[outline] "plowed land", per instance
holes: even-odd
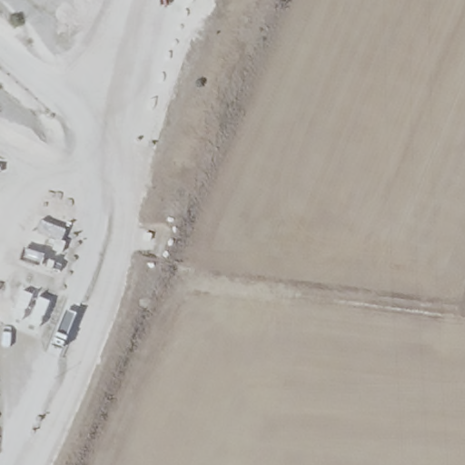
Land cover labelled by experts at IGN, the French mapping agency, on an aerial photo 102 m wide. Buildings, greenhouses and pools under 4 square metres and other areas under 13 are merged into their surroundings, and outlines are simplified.
[[[89,465],[465,465],[465,0],[292,0],[287,7],[291,24],[280,33],[280,49],[269,60],[269,71],[260,85],[256,104],[243,118],[243,124],[240,125],[240,131],[236,136],[236,145],[229,153],[231,160],[220,167],[218,182],[211,194],[211,205],[196,218],[194,234],[187,240],[187,247],[183,251],[183,263],[174,274],[174,287],[169,289],[169,298],[163,300],[160,311],[154,314],[151,331],[145,332],[145,338],[138,340],[133,360],[125,372],[122,391],[118,392],[116,405],[109,414],[107,429],[102,430],[94,441],[94,454],[89,454]]]

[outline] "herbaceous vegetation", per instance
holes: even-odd
[[[191,47],[183,58],[180,74],[174,85],[173,98],[167,105],[162,131],[158,138],[151,140],[154,145],[154,160],[151,165],[153,178],[140,207],[140,222],[156,222],[163,223],[165,227],[176,227],[173,245],[167,251],[167,258],[156,256],[151,251],[133,252],[124,296],[120,302],[113,331],[109,334],[109,340],[102,352],[102,363],[94,371],[80,411],[74,416],[67,440],[54,465],[89,465],[89,454],[94,454],[94,441],[102,430],[107,429],[109,414],[116,405],[118,392],[122,391],[125,372],[133,360],[138,340],[145,338],[145,332],[151,331],[154,314],[160,311],[163,300],[169,298],[169,289],[174,287],[174,274],[183,263],[183,251],[187,247],[187,240],[194,234],[196,218],[211,205],[211,194],[218,182],[220,167],[231,160],[229,153],[236,145],[236,136],[240,131],[240,125],[243,124],[243,118],[256,104],[260,85],[269,71],[269,60],[280,49],[280,33],[291,24],[287,7],[292,0],[216,0],[213,13],[205,18],[203,29],[198,31],[198,38],[191,42]]]

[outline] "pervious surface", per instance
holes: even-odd
[[[167,258],[167,251],[173,245],[176,227],[165,227],[163,223],[156,222],[140,222],[140,207],[153,178],[151,165],[154,160],[154,145],[151,140],[158,138],[162,131],[167,105],[173,98],[174,85],[180,74],[183,58],[191,47],[191,42],[198,38],[198,31],[203,29],[205,18],[213,13],[216,0],[0,0],[0,465],[54,465],[67,440],[74,416],[80,411],[94,371],[102,363],[102,352],[109,340],[109,334],[113,331],[120,302],[124,296],[133,252],[151,251],[156,256]]]

